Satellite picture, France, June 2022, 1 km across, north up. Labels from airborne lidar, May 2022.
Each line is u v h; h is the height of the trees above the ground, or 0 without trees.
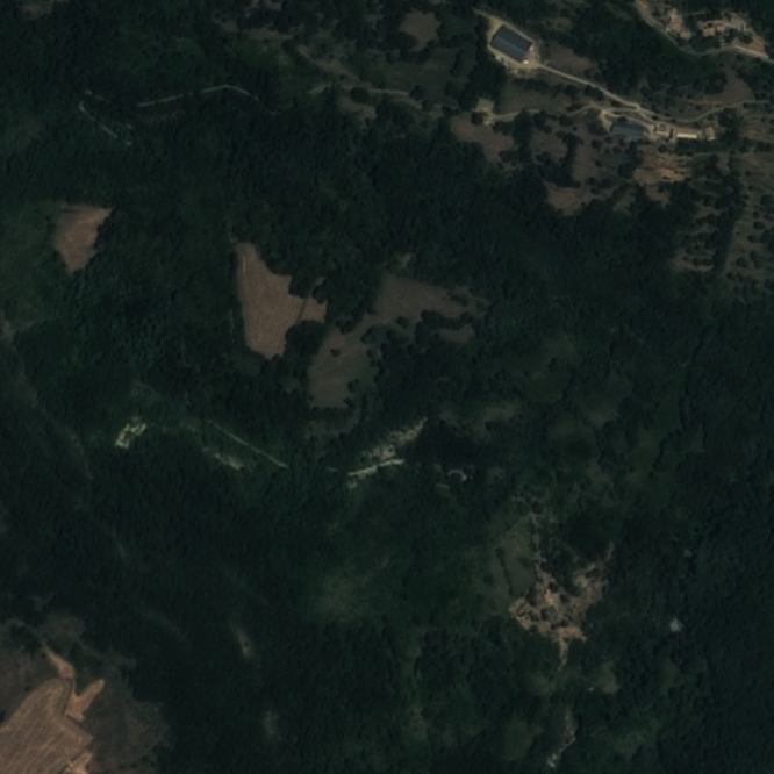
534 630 6
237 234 13
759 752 12
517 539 0
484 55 12
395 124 9
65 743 0
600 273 13
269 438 13
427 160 14
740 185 9
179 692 10
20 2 6
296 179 23
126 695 0
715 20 12
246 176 16
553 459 7
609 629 9
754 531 16
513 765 6
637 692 15
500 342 18
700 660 10
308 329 12
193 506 14
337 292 15
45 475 14
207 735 11
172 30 17
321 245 11
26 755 0
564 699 13
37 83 14
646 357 15
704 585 8
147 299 13
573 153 12
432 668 13
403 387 12
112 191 15
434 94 0
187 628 9
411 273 11
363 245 18
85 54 21
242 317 7
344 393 0
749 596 17
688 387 12
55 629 0
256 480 14
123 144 7
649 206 14
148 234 20
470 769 14
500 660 6
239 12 9
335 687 16
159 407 8
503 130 10
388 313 0
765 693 14
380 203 16
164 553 14
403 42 18
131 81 16
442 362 14
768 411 18
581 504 13
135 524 12
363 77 10
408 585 15
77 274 10
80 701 0
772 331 15
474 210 14
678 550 10
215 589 7
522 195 15
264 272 0
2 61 21
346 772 15
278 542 13
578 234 14
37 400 10
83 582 11
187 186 14
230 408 16
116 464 14
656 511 5
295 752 13
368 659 14
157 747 7
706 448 9
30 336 12
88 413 12
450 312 0
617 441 15
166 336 20
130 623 12
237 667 11
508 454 7
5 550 8
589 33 7
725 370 10
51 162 15
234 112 17
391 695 12
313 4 11
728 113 7
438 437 14
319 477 10
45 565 11
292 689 10
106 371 12
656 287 17
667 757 21
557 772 8
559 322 17
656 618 9
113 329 15
